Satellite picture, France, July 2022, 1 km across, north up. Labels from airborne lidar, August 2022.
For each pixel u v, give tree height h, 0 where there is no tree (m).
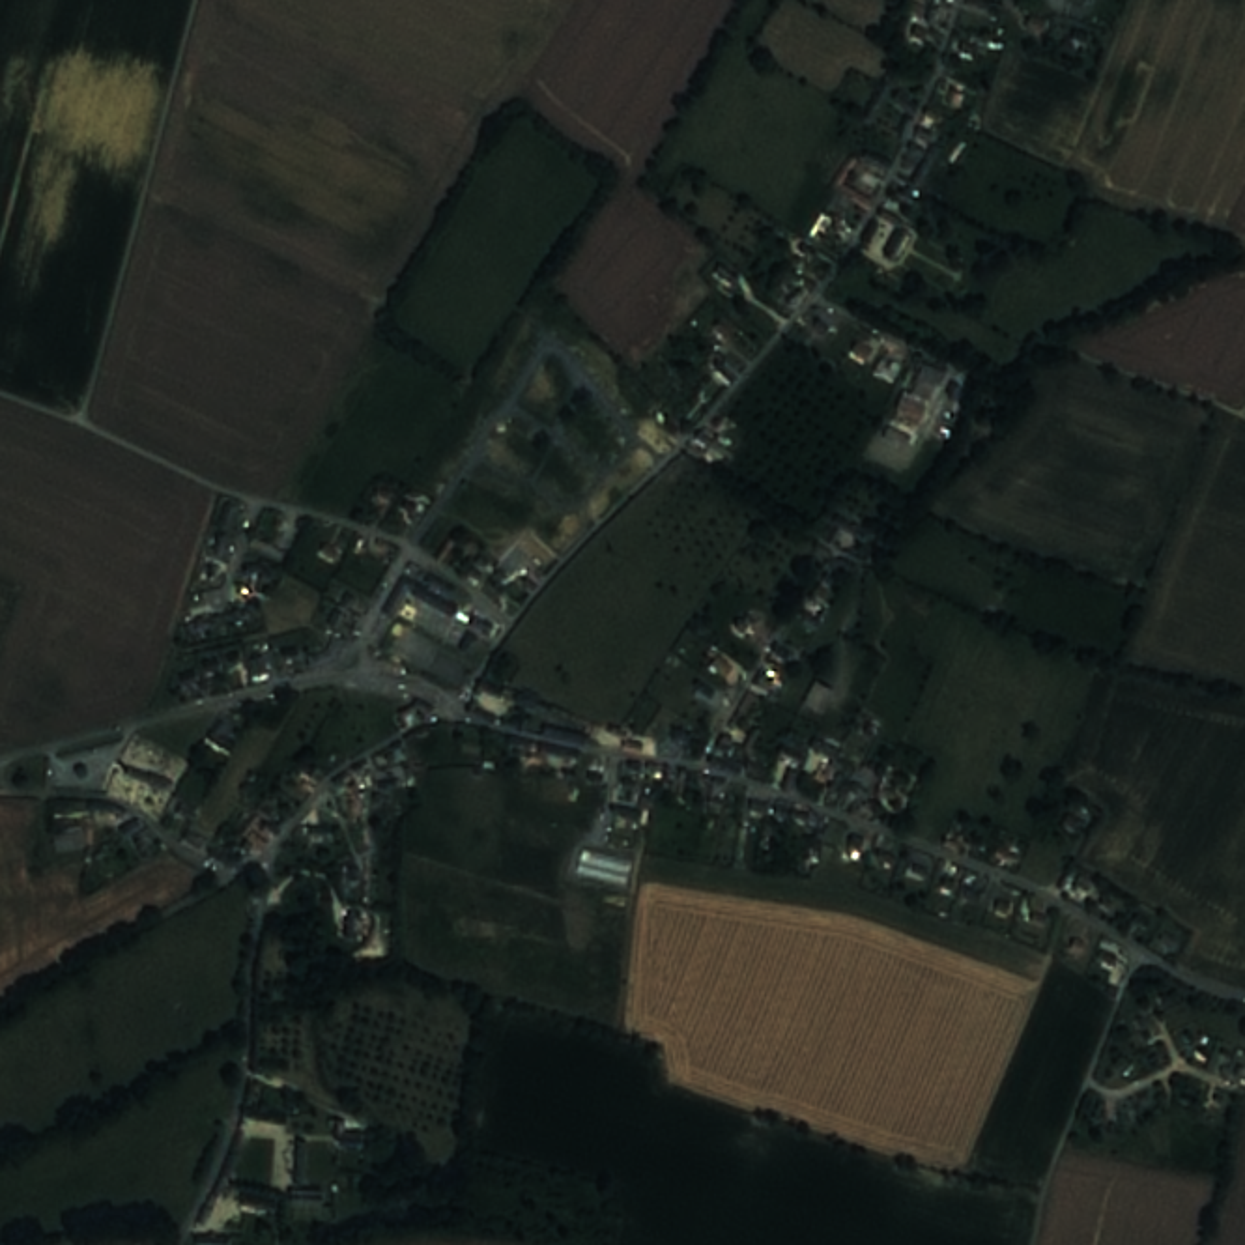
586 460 0
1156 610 0
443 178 0
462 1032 0
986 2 7
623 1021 0
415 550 0
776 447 6
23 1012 18
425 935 0
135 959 0
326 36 0
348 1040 6
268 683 0
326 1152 0
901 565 0
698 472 7
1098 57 10
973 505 0
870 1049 0
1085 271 0
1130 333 0
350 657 0
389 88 0
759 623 0
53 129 0
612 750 0
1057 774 12
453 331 0
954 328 0
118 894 0
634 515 0
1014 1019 0
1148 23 0
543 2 0
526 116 6
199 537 0
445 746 0
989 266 15
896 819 11
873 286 13
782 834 8
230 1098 0
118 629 0
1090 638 0
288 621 0
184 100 0
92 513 0
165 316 0
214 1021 0
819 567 12
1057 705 0
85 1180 0
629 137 0
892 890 9
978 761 0
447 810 0
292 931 17
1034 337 6
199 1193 0
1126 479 0
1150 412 0
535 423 0
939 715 0
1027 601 0
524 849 0
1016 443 0
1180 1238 0
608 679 0
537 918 0
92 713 0
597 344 6
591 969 0
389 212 0
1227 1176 12
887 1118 0
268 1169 0
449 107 0
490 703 0
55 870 0
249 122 0
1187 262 12
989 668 0
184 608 0
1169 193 0
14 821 0
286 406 0
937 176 0
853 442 6
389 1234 14
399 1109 5
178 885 0
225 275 0
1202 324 0
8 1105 0
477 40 0
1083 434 0
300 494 0
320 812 0
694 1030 0
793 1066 0
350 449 0
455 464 0
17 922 0
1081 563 0
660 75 0
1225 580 0
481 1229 6
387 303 6
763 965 0
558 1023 13
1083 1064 0
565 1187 8
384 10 0
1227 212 0
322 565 0
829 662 11
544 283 12
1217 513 0
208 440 0
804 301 0
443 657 0
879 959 0
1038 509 0
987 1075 0
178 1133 0
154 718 0
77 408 0
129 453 0
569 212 0
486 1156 7
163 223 0
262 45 0
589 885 0
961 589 0
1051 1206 0
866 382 0
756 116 0
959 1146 0
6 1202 0
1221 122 0
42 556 0
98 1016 0
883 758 12
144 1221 30
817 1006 0
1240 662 0
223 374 0
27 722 0
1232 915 0
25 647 0
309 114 0
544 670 0
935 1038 0
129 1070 0
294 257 0
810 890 0
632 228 0
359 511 8
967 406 19
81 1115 21
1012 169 0
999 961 0
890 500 16
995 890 0
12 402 0
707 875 0
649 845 0
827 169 0
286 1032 6
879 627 0
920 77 7
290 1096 12
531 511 0
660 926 0
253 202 0
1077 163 0
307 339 0
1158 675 9
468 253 0
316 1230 13
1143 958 0
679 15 0
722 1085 0
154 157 0
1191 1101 7
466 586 0
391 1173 20
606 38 0
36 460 0
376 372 0
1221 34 0
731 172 0
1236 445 0
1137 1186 0
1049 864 0
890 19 11
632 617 0
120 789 0
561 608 0
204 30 0
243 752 0
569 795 0
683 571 0
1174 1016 0
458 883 0
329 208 0
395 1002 0
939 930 0
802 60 0
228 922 0
